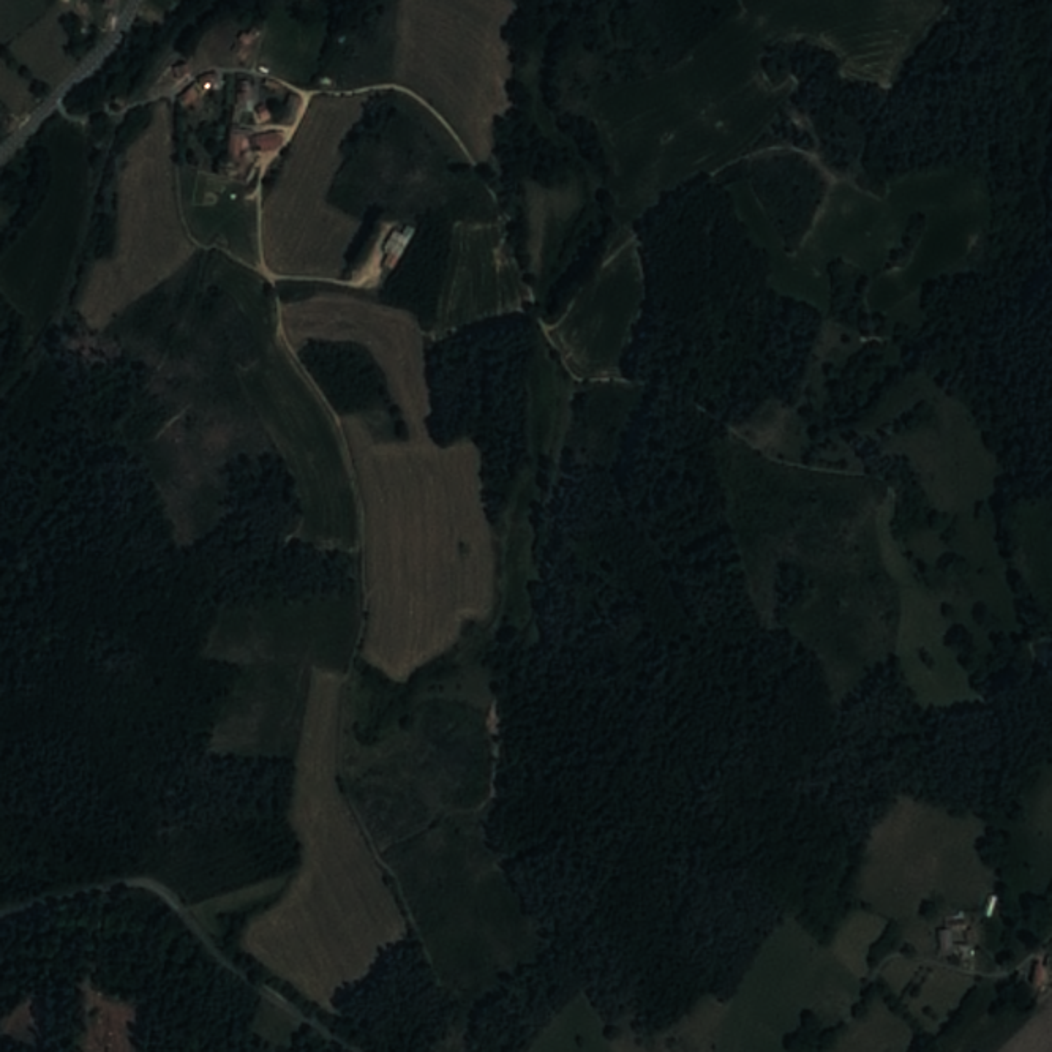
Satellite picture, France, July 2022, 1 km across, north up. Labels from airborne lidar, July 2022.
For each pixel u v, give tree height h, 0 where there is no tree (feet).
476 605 0
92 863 35
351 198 0
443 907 0
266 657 0
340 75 0
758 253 58
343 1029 63
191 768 70
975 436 0
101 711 50
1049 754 91
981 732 81
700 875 64
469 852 0
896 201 0
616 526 24
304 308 0
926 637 0
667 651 57
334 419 0
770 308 49
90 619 58
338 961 0
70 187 0
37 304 0
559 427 0
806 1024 47
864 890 0
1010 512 127
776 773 52
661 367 56
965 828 0
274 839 22
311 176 0
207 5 43
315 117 0
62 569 60
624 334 0
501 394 125
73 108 37
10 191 60
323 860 0
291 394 0
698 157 0
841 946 0
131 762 34
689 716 29
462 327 0
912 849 0
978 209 0
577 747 70
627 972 48
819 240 0
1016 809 72
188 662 52
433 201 0
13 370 36
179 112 25
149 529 46
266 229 0
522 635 22
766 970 0
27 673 86
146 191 0
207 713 69
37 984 63
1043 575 0
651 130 0
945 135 102
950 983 0
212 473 0
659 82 0
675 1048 38
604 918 26
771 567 0
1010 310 107
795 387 97
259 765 22
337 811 0
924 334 23
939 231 0
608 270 0
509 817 26
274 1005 0
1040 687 98
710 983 29
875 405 41
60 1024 92
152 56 40
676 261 66
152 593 67
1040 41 65
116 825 94
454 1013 44
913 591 0
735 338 29
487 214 0
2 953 65
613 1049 0
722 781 43
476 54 0
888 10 0
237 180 0
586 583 64
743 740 57
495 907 0
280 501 49
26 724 81
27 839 45
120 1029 0
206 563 53
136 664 50
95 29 38
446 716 0
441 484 0
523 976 43
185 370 0
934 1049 66
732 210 43
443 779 0
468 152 0
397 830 0
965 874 0
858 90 56
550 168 71
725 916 77
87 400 43
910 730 21
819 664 63
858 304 40
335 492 0
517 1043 33
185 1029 87
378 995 75
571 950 49
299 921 0
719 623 33
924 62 45
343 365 23
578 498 61
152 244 0
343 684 0
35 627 70
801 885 21
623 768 35
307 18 89
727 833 22
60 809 100
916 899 0
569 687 29
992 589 0
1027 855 0
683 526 50
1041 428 95
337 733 0
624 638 53
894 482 53
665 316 59
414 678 27
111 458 68
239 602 63
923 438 0
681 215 45
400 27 0
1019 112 98
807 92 48
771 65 39
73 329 65
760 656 43
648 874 22
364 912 0
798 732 54
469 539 0
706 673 28
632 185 0
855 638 0
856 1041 0
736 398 77
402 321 0
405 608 0
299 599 64
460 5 0
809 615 0
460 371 74
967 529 0
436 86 0
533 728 38
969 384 61
